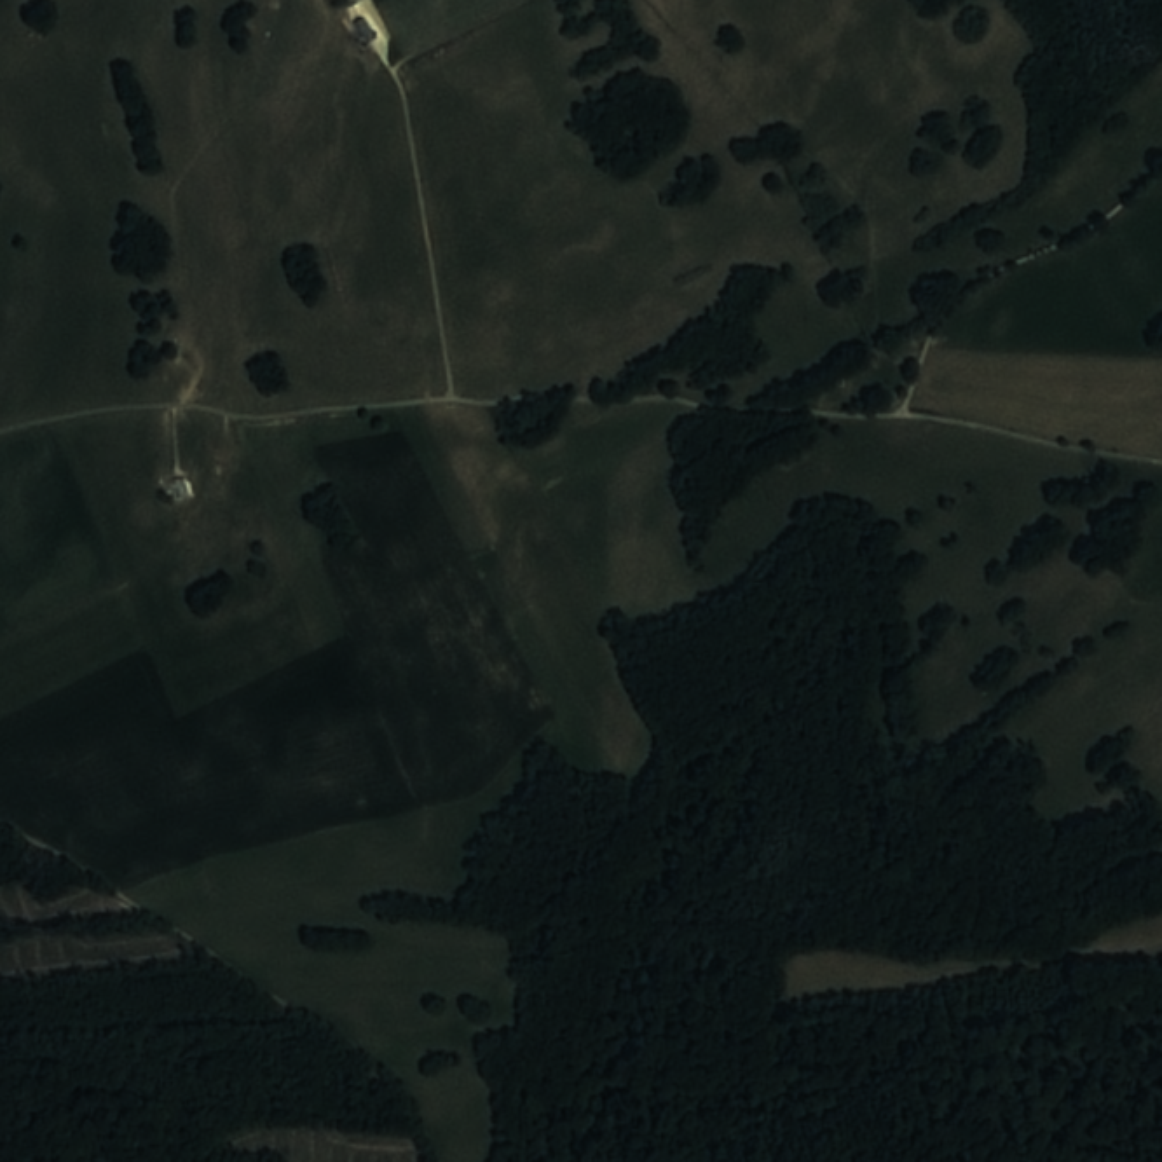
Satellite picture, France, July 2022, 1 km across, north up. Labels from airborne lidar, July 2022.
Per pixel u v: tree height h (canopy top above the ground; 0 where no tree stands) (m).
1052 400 0
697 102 0
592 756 0
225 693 0
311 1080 18
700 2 0
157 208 0
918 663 6
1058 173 7
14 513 0
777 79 0
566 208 0
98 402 0
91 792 0
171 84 0
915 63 0
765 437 12
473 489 0
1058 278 0
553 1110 18
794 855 22
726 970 24
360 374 0
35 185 0
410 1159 0
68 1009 9
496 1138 14
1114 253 0
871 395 19
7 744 0
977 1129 24
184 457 0
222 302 0
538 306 0
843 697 22
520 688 0
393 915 15
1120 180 0
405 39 0
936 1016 24
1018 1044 28
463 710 0
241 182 0
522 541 0
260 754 0
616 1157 11
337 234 0
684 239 0
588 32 12
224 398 0
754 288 21
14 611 0
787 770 23
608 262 0
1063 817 0
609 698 0
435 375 0
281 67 0
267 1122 13
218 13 0
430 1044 0
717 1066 29
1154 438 0
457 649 0
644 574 0
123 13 0
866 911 26
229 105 0
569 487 0
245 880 0
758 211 0
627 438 0
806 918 26
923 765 21
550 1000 20
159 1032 18
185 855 0
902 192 0
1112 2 23
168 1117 18
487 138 0
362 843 0
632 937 26
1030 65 11
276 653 0
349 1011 0
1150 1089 20
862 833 26
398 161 0
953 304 11
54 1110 22
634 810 20
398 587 0
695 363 14
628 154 22
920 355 0
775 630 23
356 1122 19
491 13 0
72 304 0
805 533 15
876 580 23
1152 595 0
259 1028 13
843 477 0
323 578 0
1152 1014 25
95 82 0
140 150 14
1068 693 0
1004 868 21
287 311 0
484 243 0
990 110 14
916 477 0
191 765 0
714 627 23
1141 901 25
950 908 26
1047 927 26
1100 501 13
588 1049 25
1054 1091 32
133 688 0
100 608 0
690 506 19
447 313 0
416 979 0
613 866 26
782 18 0
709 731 24
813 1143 21
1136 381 0
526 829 20
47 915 0
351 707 0
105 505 0
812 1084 28
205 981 10
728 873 22
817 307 0
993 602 0
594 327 0
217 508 0
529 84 0
